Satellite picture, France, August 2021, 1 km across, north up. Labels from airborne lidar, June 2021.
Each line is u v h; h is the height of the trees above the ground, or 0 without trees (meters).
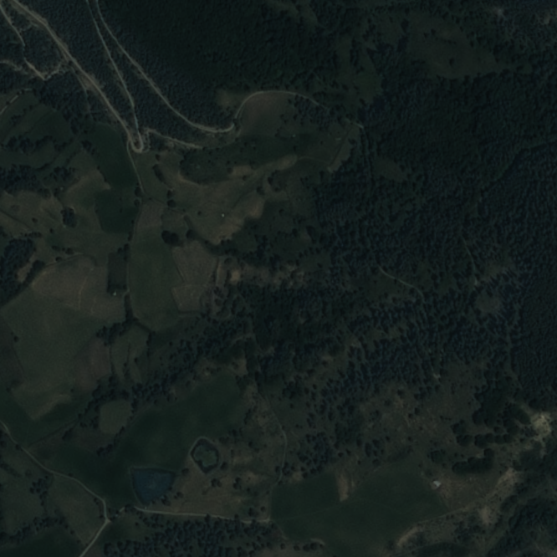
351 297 14
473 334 29
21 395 0
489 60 0
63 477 0
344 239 18
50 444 0
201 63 19
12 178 13
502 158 22
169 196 7
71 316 0
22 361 0
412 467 0
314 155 0
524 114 16
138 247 0
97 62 7
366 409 0
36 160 0
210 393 0
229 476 0
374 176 8
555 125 18
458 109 25
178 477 0
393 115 23
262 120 0
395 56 27
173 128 8
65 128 0
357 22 11
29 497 0
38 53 10
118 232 0
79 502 0
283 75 12
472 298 8
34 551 0
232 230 0
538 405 18
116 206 0
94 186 0
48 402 0
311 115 14
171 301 0
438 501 0
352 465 0
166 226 0
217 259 0
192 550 17
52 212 0
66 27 10
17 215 0
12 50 11
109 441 0
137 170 0
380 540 0
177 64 14
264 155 0
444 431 0
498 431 13
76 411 0
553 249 22
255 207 0
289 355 28
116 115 0
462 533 8
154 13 24
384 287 0
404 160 9
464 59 0
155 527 10
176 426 0
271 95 0
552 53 8
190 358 12
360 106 0
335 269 9
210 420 0
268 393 0
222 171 0
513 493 0
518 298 16
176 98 8
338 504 0
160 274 0
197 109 10
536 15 9
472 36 7
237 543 0
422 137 19
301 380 17
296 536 0
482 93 19
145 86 11
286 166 0
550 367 20
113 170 0
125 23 13
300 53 23
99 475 0
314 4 11
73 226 8
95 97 6
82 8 10
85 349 0
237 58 25
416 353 17
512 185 16
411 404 0
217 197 0
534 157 17
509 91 19
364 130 8
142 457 0
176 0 25
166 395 11
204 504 0
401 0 8
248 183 0
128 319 8
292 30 21
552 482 0
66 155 0
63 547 0
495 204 18
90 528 0
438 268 25
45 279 0
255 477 0
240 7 27
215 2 27
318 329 6
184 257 0
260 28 28
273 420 0
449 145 18
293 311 7
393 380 17
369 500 0
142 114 9
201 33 27
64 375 0
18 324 0
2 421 0
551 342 22
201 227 0
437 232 26
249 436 0
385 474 0
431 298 25
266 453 0
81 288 0
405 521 0
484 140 16
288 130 0
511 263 0
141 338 0
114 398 10
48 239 0
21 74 13
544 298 20
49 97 15
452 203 24
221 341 6
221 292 11
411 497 0
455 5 16
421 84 23
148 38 16
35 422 0
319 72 17
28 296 0
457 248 27
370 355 13
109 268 0
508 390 12
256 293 6
